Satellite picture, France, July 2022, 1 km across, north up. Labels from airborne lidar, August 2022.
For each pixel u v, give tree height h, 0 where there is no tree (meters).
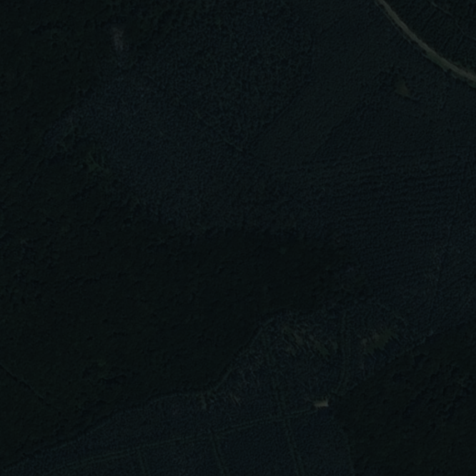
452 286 19
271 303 22
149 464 28
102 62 28
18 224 26
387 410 27
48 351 28
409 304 21
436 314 21
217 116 24
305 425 29
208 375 23
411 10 14
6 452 27
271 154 20
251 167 22
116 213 21
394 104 16
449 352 23
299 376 20
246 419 28
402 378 30
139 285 28
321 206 20
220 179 20
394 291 21
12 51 29
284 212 22
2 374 25
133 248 28
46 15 28
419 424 26
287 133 20
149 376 22
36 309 26
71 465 26
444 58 11
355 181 16
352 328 30
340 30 16
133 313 29
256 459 30
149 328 25
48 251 24
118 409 27
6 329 24
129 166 21
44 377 25
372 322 32
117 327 25
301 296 24
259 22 26
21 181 30
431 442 27
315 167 16
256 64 26
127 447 27
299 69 20
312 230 21
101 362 22
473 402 25
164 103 27
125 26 26
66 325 28
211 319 24
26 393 25
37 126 31
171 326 22
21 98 27
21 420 23
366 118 15
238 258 23
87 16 23
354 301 26
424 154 19
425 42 7
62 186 29
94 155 13
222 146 29
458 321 22
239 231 23
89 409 21
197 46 24
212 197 19
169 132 23
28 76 27
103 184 15
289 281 25
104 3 17
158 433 27
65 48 25
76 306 31
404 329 30
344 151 20
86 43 25
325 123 17
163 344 24
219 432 27
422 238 13
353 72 18
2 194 34
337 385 27
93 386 23
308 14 20
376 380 24
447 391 28
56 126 28
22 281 27
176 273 23
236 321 24
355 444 19
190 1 23
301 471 29
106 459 21
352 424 23
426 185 15
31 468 25
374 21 20
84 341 24
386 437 26
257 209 20
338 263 12
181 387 17
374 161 18
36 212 31
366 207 20
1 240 25
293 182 20
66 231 29
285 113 20
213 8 18
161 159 29
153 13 14
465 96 18
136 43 17
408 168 18
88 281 32
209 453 26
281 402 26
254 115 10
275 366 27
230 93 25
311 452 27
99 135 28
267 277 26
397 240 14
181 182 21
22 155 28
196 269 23
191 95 23
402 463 24
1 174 34
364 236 19
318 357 23
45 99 28
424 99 14
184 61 20
